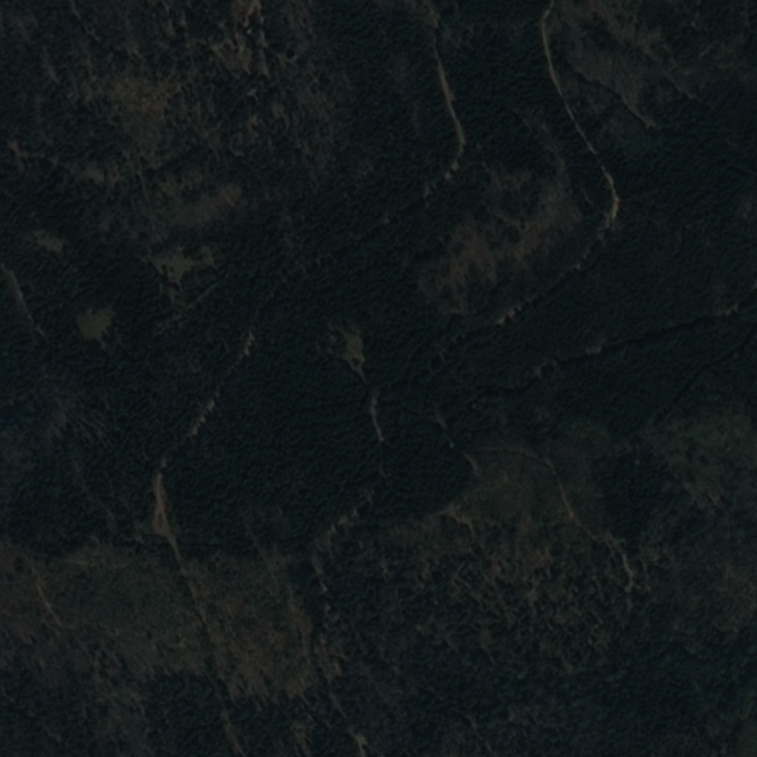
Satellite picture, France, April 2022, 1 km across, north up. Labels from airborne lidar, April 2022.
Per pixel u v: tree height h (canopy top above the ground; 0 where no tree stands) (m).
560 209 9
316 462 28
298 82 22
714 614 24
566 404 27
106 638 6
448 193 23
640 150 18
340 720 34
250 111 24
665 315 24
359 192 20
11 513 18
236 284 21
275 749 31
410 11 19
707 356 21
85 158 23
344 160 26
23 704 20
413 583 11
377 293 22
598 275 21
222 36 26
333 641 33
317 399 27
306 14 28
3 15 27
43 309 21
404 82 22
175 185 11
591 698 30
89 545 12
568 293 20
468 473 17
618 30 8
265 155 26
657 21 18
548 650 13
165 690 27
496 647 9
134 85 25
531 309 21
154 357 21
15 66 23
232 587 7
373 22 23
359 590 27
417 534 19
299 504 18
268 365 24
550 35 16
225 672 11
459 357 25
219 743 30
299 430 25
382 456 18
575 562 25
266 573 14
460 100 19
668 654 29
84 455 22
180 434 15
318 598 14
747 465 28
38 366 27
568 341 19
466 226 14
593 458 14
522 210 13
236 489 26
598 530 18
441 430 22
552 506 17
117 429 22
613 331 21
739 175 20
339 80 25
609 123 17
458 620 29
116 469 19
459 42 17
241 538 21
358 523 15
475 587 30
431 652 27
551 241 17
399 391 30
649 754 25
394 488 21
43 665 8
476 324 19
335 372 30
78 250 21
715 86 22
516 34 22
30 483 18
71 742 16
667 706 27
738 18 22
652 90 21
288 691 8
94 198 18
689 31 16
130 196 14
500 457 13
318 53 28
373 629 27
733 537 28
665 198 18
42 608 8
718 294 17
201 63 25
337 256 21
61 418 20
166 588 9
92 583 10
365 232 24
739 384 21
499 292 17
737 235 25
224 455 25
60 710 20
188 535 13
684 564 29
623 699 22
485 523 13
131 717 18
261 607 12
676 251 22
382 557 30
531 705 28
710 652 30
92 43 21
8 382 31
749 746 17
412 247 24
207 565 6
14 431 26
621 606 25
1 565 8
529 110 14
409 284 26
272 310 23
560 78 7
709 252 19
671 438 25
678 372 24
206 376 16
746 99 18
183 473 21
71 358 18
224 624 8
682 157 22
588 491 17
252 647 9
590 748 29
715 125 23
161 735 28
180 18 28
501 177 13
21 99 26
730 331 18
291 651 11
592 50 17
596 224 19
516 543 14
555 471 8
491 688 26
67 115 22
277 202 21
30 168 27
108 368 20
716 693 39
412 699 31
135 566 8
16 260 21
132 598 7
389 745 28
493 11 26
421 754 28
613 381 22
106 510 15
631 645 16
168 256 12
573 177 18
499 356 21
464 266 12
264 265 24
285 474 24
